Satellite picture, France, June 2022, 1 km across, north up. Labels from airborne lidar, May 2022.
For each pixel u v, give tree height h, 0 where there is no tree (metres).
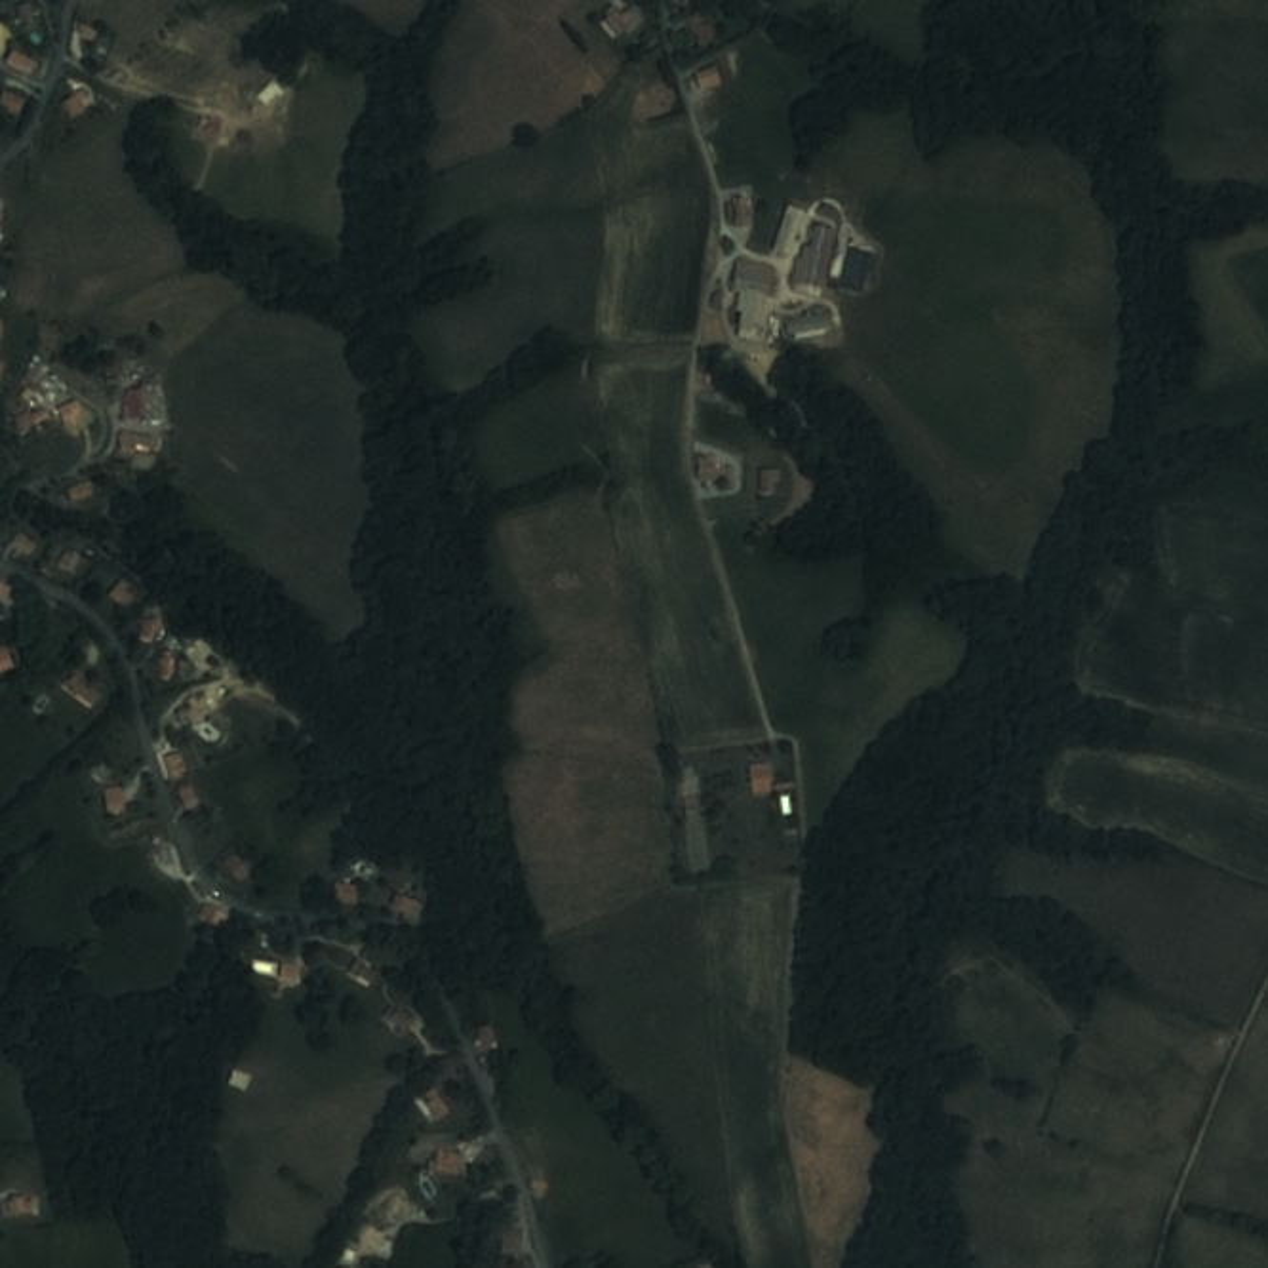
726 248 7
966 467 0
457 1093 21
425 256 13
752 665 0
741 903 0
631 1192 0
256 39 11
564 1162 0
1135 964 0
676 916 0
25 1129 0
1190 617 0
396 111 27
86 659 8
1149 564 16
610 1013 0
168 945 0
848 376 0
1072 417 0
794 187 0
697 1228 14
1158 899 0
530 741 0
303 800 12
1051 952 18
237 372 0
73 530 13
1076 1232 0
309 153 0
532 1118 0
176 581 19
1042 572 21
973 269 0
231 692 0
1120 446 13
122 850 0
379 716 14
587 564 0
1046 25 13
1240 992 0
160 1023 26
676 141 0
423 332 0
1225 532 0
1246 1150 0
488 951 23
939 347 0
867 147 0
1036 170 0
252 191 0
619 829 0
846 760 0
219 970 22
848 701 0
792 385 20
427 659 26
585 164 0
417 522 27
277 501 0
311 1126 0
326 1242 10
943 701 14
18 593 16
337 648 6
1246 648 0
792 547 21
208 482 0
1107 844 14
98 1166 15
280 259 18
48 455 0
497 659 23
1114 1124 0
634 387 0
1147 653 0
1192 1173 0
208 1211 22
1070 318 0
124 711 11
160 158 16
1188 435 11
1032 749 24
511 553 0
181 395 0
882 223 0
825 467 26
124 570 8
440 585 27
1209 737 0
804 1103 0
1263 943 0
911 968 13
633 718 0
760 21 6
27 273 0
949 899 22
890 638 0
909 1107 23
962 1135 19
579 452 0
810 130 23
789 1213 0
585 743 0
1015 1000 0
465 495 29
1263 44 0
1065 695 22
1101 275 0
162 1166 21
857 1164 0
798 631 0
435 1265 0
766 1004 0
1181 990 0
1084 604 24
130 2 0
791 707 0
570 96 0
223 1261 20
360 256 22
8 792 0
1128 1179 0
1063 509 9
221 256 12
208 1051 22
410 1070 11
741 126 0
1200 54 0
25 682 6
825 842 20
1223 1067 0
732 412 0
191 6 0
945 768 25
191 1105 19
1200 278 0
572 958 0
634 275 0
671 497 0
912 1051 24
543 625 0
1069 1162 0
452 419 21
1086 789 0
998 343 0
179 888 0
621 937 0
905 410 0
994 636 22
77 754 7
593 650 0
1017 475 0
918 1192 17
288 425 0
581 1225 0
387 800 27
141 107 7
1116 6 24
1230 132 0
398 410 12
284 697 27
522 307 0
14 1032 25
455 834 27
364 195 22
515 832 19
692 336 0
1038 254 0
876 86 18
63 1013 17
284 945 17
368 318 27
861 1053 17
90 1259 0
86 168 0
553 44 0
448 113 0
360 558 9
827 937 12
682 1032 0
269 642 26
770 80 0
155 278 0
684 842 0
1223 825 0
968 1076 18
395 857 21
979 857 20
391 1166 0
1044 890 0
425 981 22
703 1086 0
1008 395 0
